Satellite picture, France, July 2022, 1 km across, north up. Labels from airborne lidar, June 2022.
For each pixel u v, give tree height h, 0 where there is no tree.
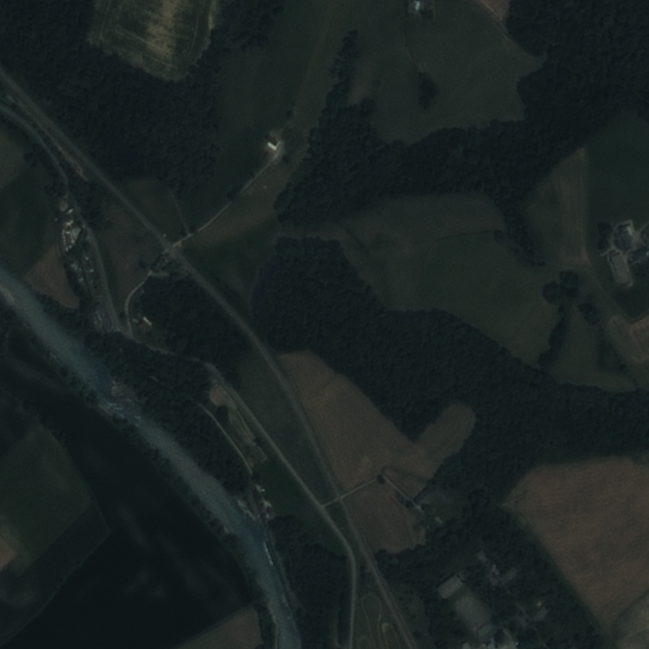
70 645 0
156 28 0
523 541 20
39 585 0
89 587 0
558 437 35
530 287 0
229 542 16
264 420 0
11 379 0
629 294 0
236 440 0
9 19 21
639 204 0
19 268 0
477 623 0
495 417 32
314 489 0
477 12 0
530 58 0
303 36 0
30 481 0
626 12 31
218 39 16
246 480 20
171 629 0
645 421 35
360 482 0
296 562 24
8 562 0
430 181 25
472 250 0
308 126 0
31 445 0
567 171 0
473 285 0
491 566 7
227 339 24
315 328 29
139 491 0
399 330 31
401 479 0
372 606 0
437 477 11
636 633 0
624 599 0
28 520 0
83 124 11
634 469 0
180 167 24
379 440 0
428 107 8
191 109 26
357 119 23
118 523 0
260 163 0
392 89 0
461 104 0
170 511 0
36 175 0
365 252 0
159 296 17
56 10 21
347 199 27
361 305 21
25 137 9
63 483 0
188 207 0
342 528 0
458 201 0
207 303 24
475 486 19
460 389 26
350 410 0
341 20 0
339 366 25
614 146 0
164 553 0
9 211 0
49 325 0
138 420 0
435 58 0
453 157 26
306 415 0
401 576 8
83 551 0
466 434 0
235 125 0
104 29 0
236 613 0
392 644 0
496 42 0
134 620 0
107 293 0
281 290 19
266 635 12
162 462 18
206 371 24
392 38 0
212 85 28
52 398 0
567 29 28
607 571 0
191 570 0
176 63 0
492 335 0
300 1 0
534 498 0
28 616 0
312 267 28
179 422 20
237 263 0
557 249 0
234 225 0
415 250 0
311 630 19
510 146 19
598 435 32
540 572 12
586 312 22
